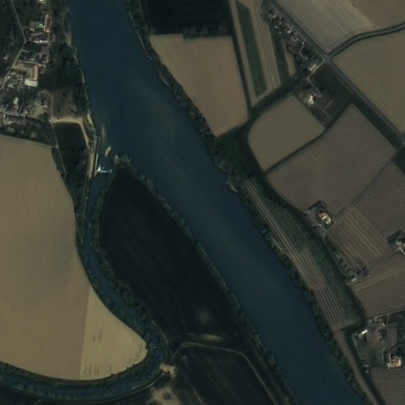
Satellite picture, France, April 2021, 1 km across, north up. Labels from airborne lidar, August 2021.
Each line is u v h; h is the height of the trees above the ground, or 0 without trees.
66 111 0
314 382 0
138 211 0
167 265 0
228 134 0
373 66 0
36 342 0
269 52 0
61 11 12
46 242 0
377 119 0
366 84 0
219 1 0
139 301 0
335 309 27
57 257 0
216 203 0
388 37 0
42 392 9
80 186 9
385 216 19
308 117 0
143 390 0
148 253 0
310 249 23
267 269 0
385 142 12
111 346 0
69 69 16
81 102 7
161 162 0
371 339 0
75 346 0
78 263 0
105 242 0
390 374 16
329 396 0
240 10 0
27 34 10
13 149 0
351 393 0
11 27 9
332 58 0
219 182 0
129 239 0
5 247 0
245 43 0
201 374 0
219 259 0
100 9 0
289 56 0
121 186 0
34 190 0
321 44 0
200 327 0
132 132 0
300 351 0
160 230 0
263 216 22
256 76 0
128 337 0
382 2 0
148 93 0
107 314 0
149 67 0
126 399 0
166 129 0
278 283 0
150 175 0
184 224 26
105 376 0
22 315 0
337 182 14
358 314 22
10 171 0
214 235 0
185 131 0
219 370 0
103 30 0
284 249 22
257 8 0
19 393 0
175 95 12
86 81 0
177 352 0
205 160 0
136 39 0
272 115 0
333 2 0
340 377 0
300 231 24
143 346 0
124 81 0
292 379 0
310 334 0
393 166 14
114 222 0
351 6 0
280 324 0
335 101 0
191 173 0
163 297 0
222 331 0
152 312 0
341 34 0
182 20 0
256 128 0
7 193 0
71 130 0
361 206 17
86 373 0
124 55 0
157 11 0
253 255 0
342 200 13
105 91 0
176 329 0
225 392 0
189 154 0
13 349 0
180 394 0
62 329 0
